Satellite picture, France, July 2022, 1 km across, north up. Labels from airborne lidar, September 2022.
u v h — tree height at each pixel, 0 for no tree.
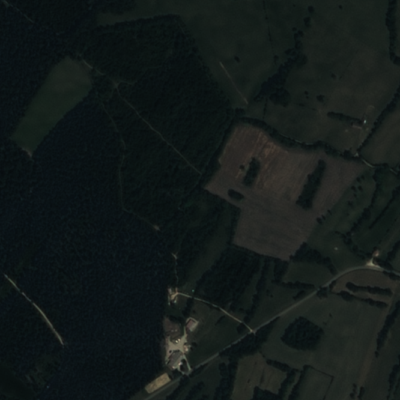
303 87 0
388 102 0
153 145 15
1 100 25
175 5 0
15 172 29
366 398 0
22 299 24
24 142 0
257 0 0
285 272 12
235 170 0
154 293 22
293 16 0
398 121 0
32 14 13
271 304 0
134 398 0
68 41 19
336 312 0
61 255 14
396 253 12
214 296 8
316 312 0
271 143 0
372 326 0
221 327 0
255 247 0
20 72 23
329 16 0
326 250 0
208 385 0
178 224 18
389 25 17
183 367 13
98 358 23
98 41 6
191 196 10
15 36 21
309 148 13
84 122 19
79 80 0
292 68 9
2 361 10
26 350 23
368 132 0
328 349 0
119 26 18
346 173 0
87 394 27
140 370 19
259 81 0
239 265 10
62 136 23
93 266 24
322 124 0
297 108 0
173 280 9
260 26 0
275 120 0
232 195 19
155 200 7
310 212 0
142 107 12
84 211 28
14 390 0
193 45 10
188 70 13
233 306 12
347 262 0
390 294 17
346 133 0
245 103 0
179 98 13
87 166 15
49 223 23
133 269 24
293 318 0
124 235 32
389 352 0
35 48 12
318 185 12
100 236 24
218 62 0
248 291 0
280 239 0
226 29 0
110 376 14
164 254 27
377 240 0
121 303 23
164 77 14
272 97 21
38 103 0
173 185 10
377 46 0
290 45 0
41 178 26
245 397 0
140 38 18
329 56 0
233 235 10
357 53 0
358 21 0
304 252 14
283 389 12
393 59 8
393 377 16
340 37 0
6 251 8
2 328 15
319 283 0
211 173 17
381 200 0
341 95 0
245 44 0
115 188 12
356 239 0
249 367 0
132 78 9
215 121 6
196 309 0
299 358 0
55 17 6
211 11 0
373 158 0
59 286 8
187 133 10
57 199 21
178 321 14
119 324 30
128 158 11
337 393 0
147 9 0
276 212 0
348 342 0
